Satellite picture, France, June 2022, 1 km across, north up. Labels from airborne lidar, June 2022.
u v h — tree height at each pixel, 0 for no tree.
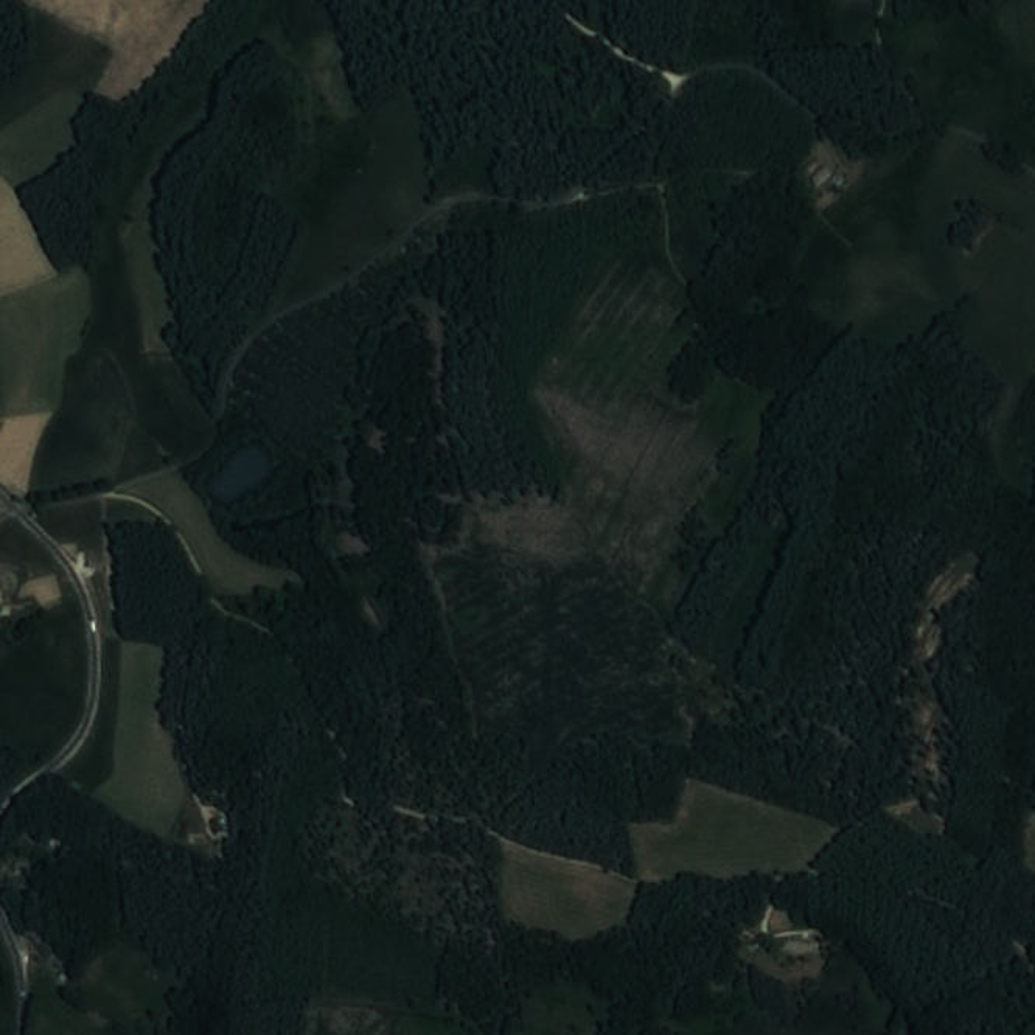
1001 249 0
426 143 14
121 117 20
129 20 0
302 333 7
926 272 0
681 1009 20
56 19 0
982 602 19
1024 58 0
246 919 16
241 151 6
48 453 0
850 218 0
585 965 14
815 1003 9
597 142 27
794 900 17
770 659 25
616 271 0
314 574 13
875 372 34
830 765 15
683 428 0
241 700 8
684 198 7
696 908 18
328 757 12
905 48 0
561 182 25
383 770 20
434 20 27
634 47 20
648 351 0
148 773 0
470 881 15
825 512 28
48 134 0
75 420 0
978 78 0
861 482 24
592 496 0
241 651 8
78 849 22
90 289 0
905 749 26
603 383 0
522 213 28
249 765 19
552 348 8
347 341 7
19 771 24
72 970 17
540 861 0
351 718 22
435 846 12
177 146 0
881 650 21
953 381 12
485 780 13
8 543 0
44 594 0
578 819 14
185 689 16
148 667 0
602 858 16
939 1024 20
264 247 21
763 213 20
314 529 20
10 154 0
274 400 9
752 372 28
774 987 15
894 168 0
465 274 23
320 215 0
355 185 0
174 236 25
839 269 0
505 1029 13
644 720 0
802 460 31
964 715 25
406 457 18
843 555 12
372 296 8
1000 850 20
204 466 10
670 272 0
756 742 24
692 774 18
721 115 9
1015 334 0
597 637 0
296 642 22
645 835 0
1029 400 10
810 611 20
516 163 26
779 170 10
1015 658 21
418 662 17
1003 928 18
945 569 24
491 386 11
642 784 18
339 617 20
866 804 16
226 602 7
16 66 24
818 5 21
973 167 0
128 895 16
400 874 19
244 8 24
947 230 0
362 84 25
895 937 19
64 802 27
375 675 21
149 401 0
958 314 7
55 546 0
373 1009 0
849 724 18
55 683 0
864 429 29
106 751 0
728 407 0
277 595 12
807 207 17
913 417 19
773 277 26
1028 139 0
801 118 10
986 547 21
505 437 16
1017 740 25
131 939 8
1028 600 18
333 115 0
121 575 25
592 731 0
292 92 9
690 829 0
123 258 0
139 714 0
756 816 0
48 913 20
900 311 0
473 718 17
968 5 15
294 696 10
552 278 10
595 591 0
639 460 0
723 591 23
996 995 26
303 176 0
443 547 21
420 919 11
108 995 0
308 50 0
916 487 21
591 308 0
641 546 0
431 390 20
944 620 23
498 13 25
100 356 0
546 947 11
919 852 24
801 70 29
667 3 22
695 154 11
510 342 10
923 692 17
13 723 0
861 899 25
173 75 17
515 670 0
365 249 0
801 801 18
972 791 22
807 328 30
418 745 16
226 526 9
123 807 0
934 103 0
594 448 0
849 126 21
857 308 0
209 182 10
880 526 20
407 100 0
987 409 14
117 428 0
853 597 19
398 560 11
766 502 13
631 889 0
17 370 0
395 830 18
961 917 6
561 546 0
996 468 13
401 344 19
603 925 0
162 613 26
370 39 29
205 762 16
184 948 18
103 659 0
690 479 0
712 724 14
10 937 0
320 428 9
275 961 9
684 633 21
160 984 0
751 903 23
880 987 16
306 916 11
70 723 0
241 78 27
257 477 0
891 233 0
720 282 26
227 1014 20
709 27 7
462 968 16
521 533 0
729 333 24
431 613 17
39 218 23
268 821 16
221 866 11
